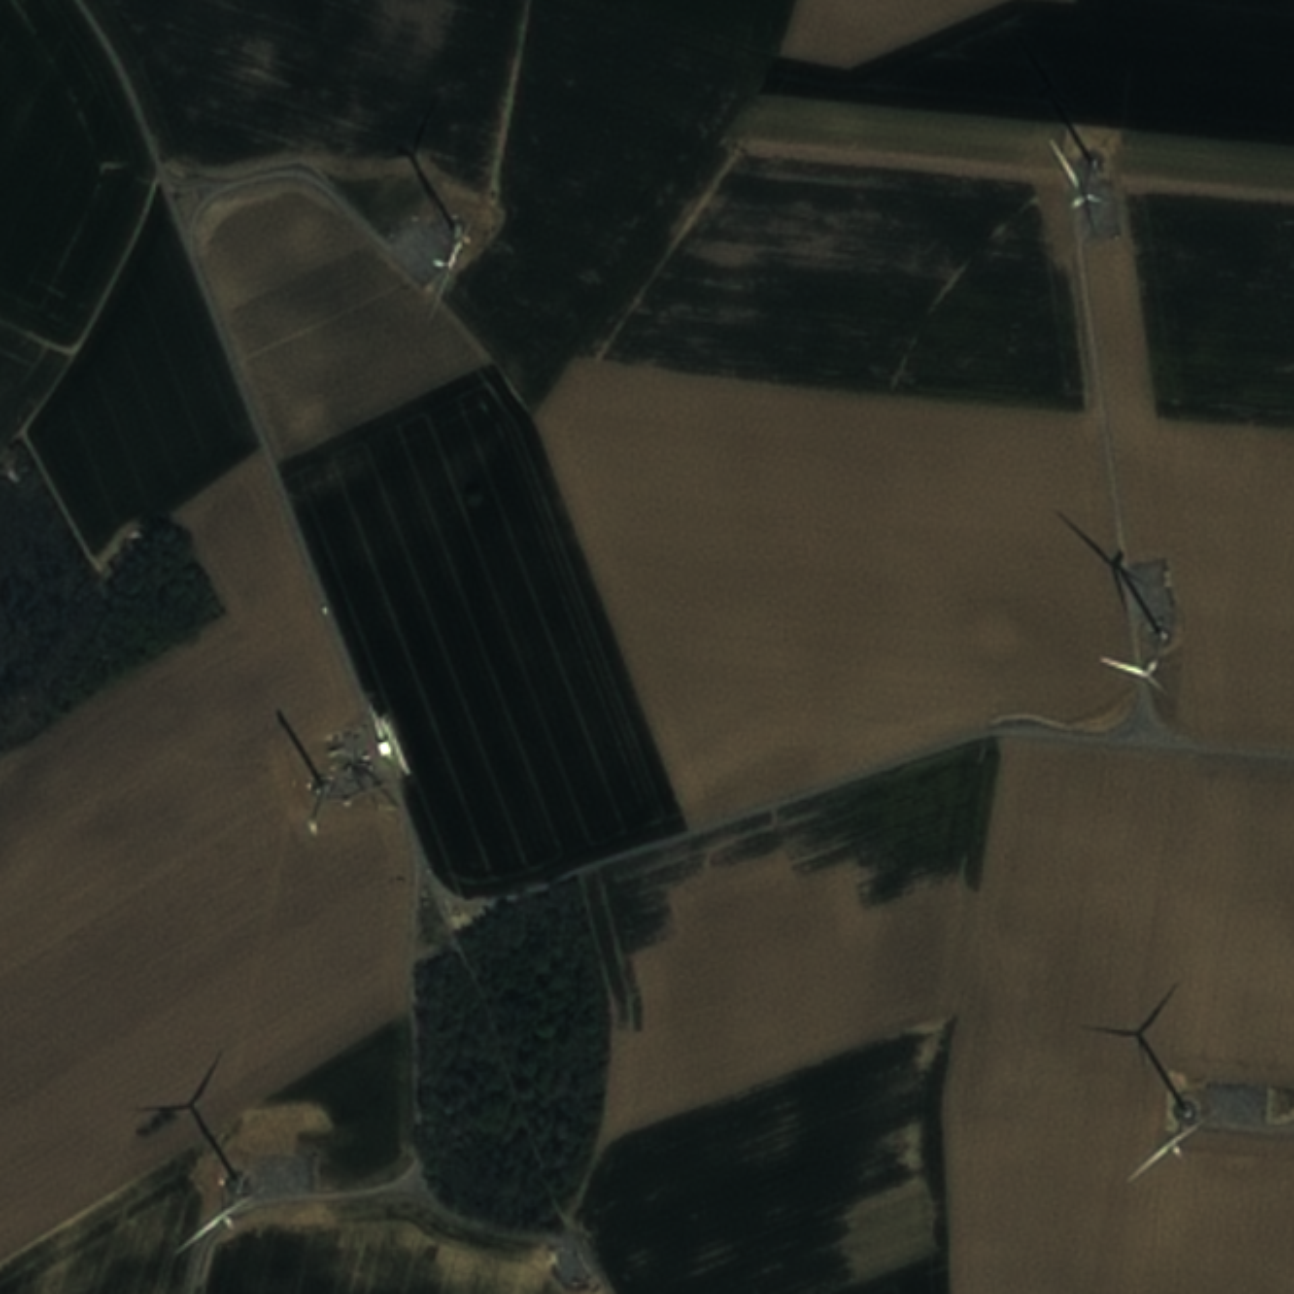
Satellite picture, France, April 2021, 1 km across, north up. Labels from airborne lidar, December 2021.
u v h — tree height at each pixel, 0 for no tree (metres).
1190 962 0
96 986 0
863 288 0
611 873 0
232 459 0
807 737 0
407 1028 0
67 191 0
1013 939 0
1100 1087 0
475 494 10
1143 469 0
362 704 0
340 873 0
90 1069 0
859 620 0
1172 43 0
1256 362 0
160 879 0
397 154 0
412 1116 0
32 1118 0
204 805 0
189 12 0
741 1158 0
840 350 0
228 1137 0
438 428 0
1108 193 0
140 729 0
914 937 0
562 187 0
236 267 0
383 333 0
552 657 0
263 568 0
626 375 0
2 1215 0
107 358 0
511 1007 11
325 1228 0
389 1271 0
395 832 0
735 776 0
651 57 0
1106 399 0
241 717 0
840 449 0
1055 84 0
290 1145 0
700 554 0
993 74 0
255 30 0
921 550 0
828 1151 0
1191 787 0
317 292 0
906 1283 0
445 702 0
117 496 0
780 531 0
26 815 0
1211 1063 0
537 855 0
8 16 0
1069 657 0
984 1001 0
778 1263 0
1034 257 0
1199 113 0
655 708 0
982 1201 0
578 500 0
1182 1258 0
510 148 0
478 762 0
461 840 0
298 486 0
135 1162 0
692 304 0
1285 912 0
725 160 0
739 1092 0
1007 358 0
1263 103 0
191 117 0
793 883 0
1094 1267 0
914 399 0
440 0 0
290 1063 0
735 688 0
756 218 0
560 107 0
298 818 0
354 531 0
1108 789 0
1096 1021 0
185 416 0
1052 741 0
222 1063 0
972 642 0
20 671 7
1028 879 0
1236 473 0
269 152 0
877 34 0
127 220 0
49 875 0
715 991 0
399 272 0
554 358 0
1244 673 0
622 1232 0
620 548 0
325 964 0
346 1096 0
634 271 0
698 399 0
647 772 0
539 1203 6
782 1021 0
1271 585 0
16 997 0
